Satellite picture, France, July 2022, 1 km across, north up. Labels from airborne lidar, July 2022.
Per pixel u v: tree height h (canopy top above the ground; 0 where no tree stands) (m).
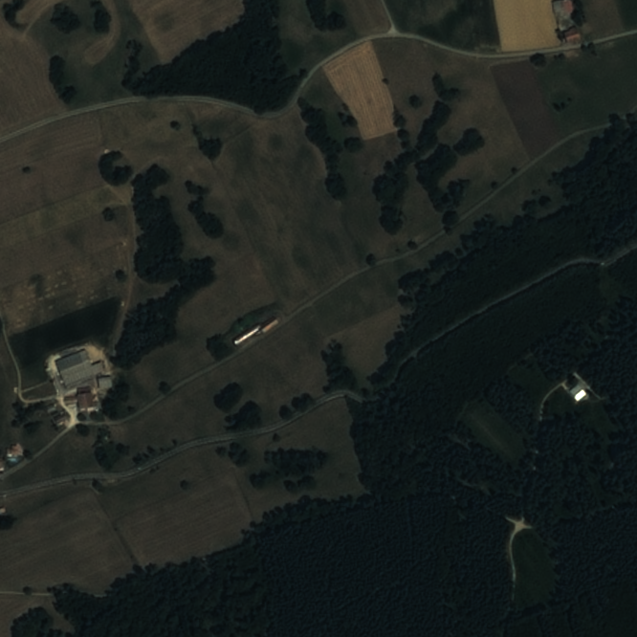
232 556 10
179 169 0
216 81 8
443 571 15
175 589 13
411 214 0
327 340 0
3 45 0
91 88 0
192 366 0
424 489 15
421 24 0
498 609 22
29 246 0
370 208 0
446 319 13
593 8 0
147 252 19
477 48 0
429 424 16
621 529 19
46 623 20
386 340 0
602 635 8
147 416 0
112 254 0
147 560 0
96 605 11
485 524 25
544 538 22
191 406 0
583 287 12
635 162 18
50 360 0
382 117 0
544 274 10
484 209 0
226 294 0
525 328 12
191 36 0
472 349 13
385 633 21
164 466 0
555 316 12
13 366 0
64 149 0
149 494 0
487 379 13
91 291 0
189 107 0
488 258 18
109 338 0
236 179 0
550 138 0
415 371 13
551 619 13
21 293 0
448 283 17
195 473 0
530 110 0
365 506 21
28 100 0
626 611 11
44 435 0
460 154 20
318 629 19
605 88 0
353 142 12
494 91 0
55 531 0
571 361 29
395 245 0
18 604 0
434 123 20
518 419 24
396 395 13
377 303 0
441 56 0
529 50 0
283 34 0
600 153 25
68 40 0
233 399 19
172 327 16
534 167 0
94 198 0
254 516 0
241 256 0
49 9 0
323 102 0
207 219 22
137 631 22
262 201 0
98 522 0
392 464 20
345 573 21
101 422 0
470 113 0
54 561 0
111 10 0
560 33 10
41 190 0
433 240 0
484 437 0
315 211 0
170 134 0
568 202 17
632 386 24
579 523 21
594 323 20
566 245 13
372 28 0
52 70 12
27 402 0
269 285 0
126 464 0
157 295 0
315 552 20
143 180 17
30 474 0
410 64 0
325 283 0
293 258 0
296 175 0
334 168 16
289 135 0
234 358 0
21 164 0
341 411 0
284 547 20
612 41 0
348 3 0
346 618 20
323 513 24
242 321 10
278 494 0
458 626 19
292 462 18
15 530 0
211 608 14
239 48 9
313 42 0
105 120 0
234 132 0
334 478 0
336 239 0
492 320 10
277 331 0
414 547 24
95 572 0
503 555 24
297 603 21
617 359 26
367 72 0
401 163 18
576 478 28
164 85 12
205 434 0
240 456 16
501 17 0
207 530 0
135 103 0
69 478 0
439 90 8
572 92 0
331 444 0
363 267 0
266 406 0
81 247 0
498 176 0
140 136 0
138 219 8
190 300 0
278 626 22
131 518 0
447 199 11
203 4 0
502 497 17
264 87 10
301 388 0
